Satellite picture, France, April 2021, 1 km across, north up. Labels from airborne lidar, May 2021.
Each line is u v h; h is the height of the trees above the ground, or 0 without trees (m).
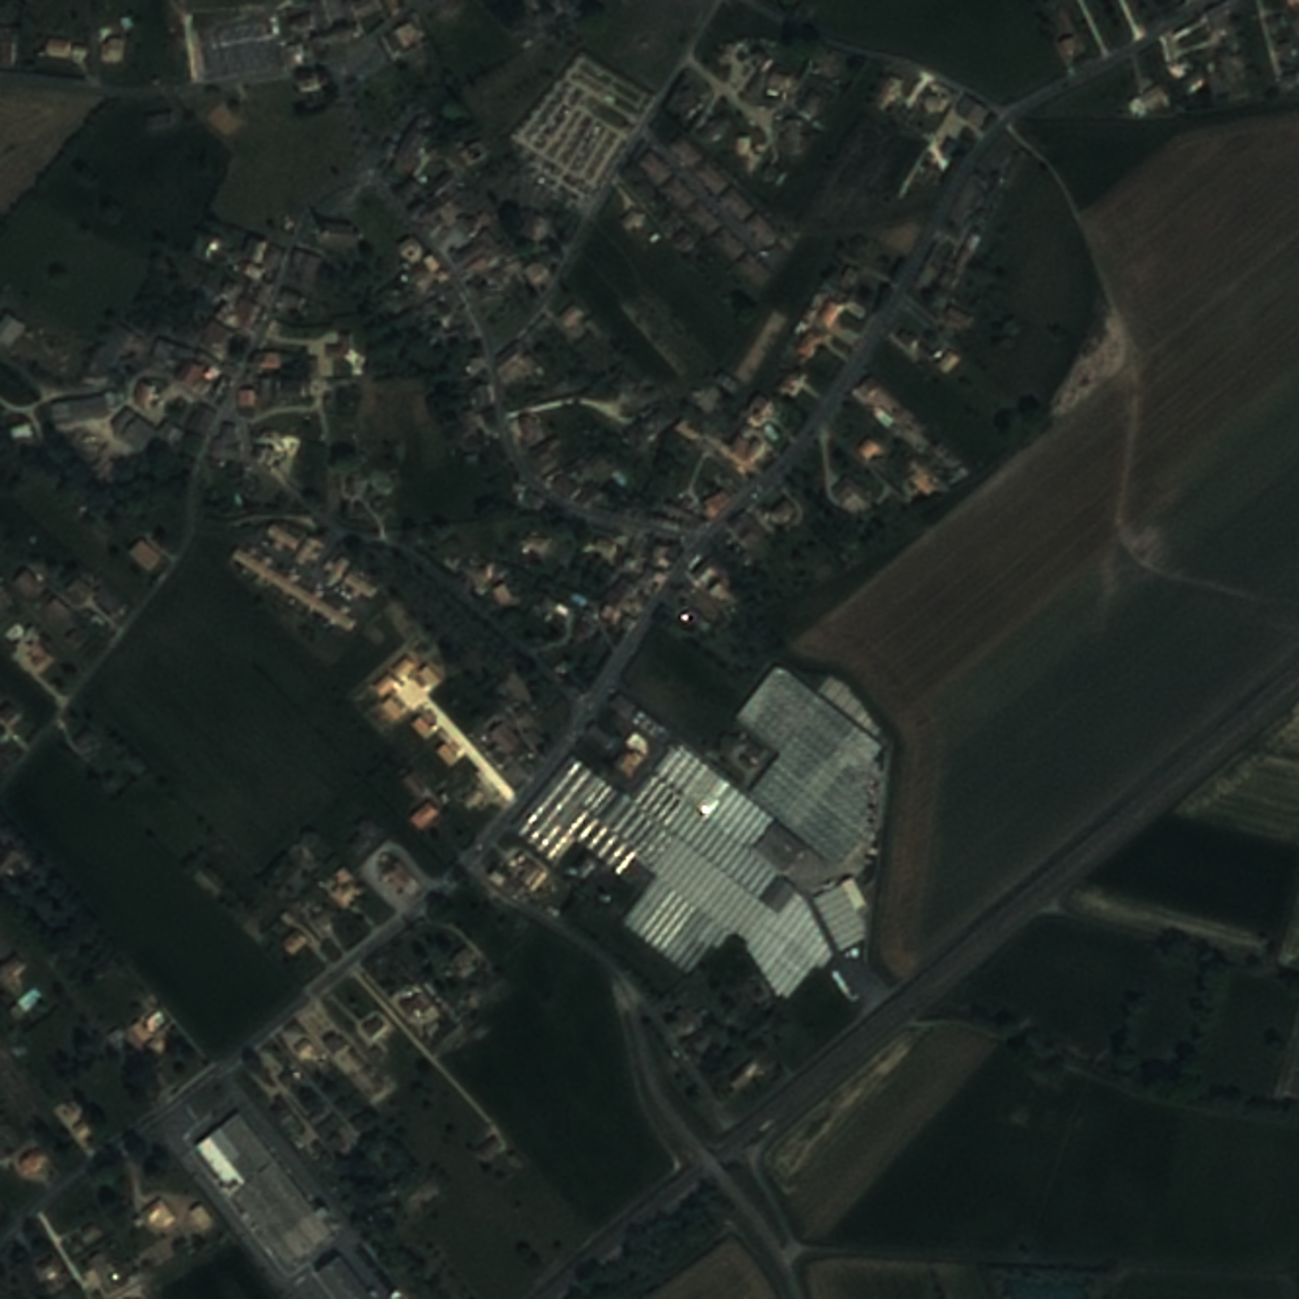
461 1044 0
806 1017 0
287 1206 0
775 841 0
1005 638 0
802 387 0
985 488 0
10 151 0
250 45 0
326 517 0
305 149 0
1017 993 0
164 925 0
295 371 6
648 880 0
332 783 0
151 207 0
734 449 0
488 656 10
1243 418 0
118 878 0
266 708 0
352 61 0
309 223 0
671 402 0
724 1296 0
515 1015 0
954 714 0
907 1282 0
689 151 0
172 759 0
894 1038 0
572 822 0
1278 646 0
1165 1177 0
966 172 0
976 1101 0
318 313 0
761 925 0
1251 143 0
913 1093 0
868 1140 0
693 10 0
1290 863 0
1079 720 0
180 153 0
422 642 0
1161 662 0
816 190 0
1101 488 0
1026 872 0
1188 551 0
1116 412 0
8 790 0
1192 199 0
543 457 0
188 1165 0
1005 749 0
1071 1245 0
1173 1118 0
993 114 6
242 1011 0
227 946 0
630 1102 0
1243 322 0
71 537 0
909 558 0
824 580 0
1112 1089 0
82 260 0
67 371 0
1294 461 0
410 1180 10
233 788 0
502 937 0
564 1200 0
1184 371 0
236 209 0
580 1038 0
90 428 0
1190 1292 0
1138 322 0
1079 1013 0
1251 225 0
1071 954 0
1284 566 0
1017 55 0
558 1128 0
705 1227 16
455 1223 0
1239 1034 0
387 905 0
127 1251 0
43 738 0
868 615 0
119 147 0
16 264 0
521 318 0
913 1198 0
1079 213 0
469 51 0
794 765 0
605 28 7
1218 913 0
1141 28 0
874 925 0
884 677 0
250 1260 0
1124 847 0
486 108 0
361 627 0
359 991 0
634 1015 0
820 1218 0
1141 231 0
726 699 0
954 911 0
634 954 0
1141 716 0
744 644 11
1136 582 0
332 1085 9
